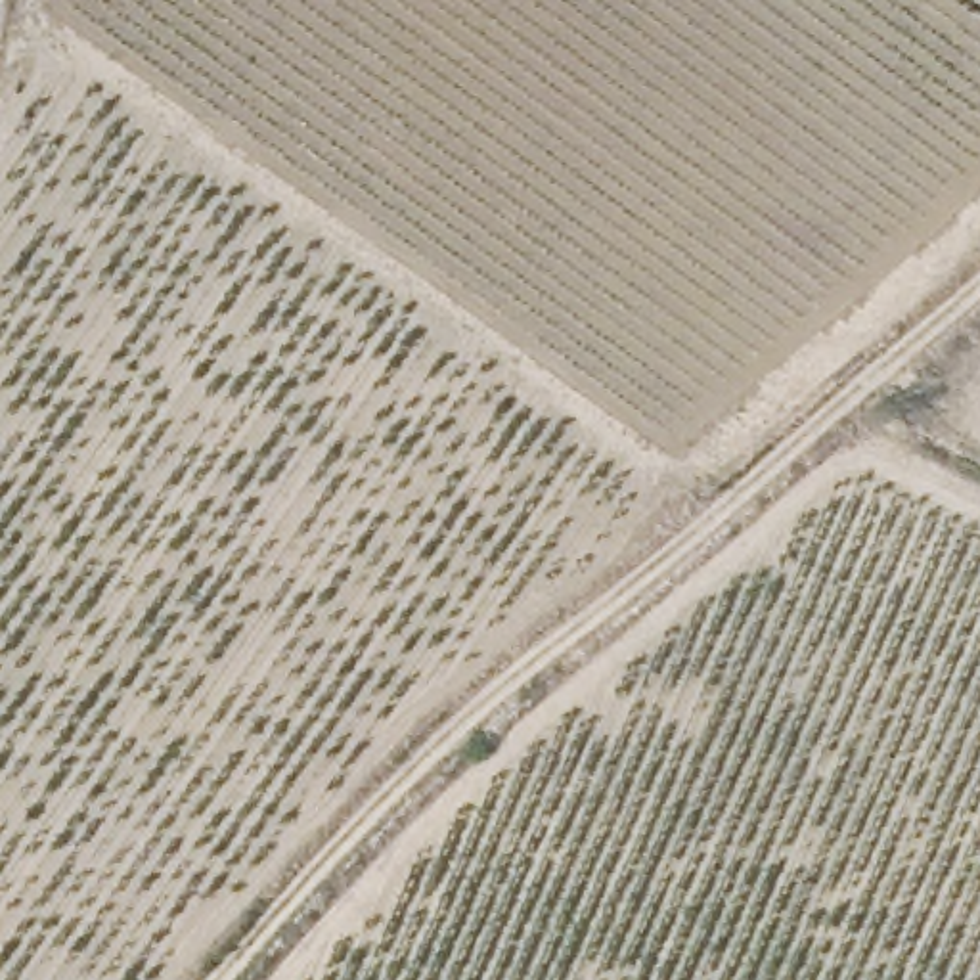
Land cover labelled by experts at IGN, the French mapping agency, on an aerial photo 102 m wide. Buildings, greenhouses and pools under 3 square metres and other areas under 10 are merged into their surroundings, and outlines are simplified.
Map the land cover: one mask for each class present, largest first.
<instances>
[{"label":"vineyard","instance_id":"1","mask_svg":"<svg viewBox=\"0 0 980 980\"><path fill-rule=\"evenodd\" d=\"M980 199V0H0V980H237L260 953H276L279 961H287L295 946L329 915L341 892H348L375 858L390 850V842L436 796H444L475 762L490 758L551 689L578 674V666L563 655L624 609L609 586L635 570L624 559V547L635 536V528L651 517V509L635 501L639 490L628 482L632 467H616L613 459H605L597 452L593 433H586L574 417H559L540 387H528L521 379V364L532 360L536 368L551 371L559 383L590 398L609 417H616L643 448H655L662 456H689L724 421L743 413L750 398H758V387L769 371L785 368L796 348L812 345L819 333H831L838 322H850L892 268H900L907 256L926 253L930 241L957 226L969 203ZM892 417L877 429L880 440L926 456L969 482H980V310L957 322L949 341H938L923 360H915L911 387H896L877 398ZM616 693L628 697L632 712L620 735L601 739L597 716L567 708L555 724V735L532 739L521 766L498 769L490 777L482 804H459L444 846H425L410 865L394 911L368 915L360 930L341 938L333 946V957L325 961L322 980H980V524L934 505L930 494H911L900 482H884L877 471L835 479L831 501L804 509L796 517L789 547L769 567L739 570L724 593H704L693 605L689 624H670L655 655L628 658Z\"/></svg>","mask_w":980,"mask_h":980},{"label":"plowed land","instance_id":"2","mask_svg":"<svg viewBox=\"0 0 980 980\"><path fill-rule=\"evenodd\" d=\"M980 310V199L969 203L957 226L930 241L926 253L907 256L900 268H892L850 322H838L831 333H819L812 345L796 348L785 368L769 371L758 387V398H750L743 413L724 421L689 456H662L655 448H643L616 417H609L590 398L559 383L551 371L536 368L532 360L521 364V379L528 387H540L559 417H574L586 433H593L597 452L605 459H613L616 467H632L628 482L639 490L635 501L651 509V517L635 528V536L624 547V559L635 570L609 586L624 609L563 655L578 666V674L551 689L490 758L475 762L444 796H436L390 842V850L375 858L348 892H341L329 915L295 946L287 961H279L276 953H260L237 980H322L325 961L333 957V946L341 938L360 930L368 915L394 911L410 865L425 846H444L459 804H482L490 777L498 769L521 766L532 739L555 735V724L567 708L597 716L601 739L620 735L632 712L628 697L616 693L628 658L655 655L670 624H689L693 605L704 593H724L739 570L769 567L789 547L796 517L804 509L831 501L835 479L877 471L884 482H900L911 494H930L934 505L980 524V482H969L926 456L880 440L877 429L892 417L877 398L896 387H911L915 360H923L938 341H949L957 322Z\"/></svg>","mask_w":980,"mask_h":980}]
</instances>
